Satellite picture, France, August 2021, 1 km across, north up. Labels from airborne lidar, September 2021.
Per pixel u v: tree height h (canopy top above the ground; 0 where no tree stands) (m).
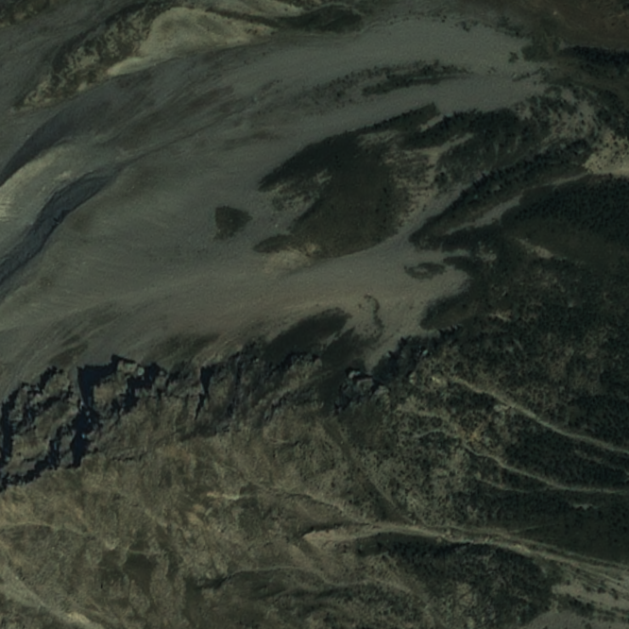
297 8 0
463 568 10
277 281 0
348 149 0
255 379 0
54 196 0
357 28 0
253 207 0
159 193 0
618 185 7
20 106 0
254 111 0
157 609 0
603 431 15
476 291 0
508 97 0
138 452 0
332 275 0
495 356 9
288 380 0
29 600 0
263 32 0
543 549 0
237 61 0
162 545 0
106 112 0
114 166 0
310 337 0
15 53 0
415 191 0
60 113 0
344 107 0
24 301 0
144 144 0
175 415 0
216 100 0
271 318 0
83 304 0
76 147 0
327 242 0
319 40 0
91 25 0
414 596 0
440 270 0
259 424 0
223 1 0
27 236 0
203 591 0
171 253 0
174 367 0
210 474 0
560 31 0
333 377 0
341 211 0
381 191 0
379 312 0
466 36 0
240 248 0
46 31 0
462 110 0
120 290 0
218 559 0
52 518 0
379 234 0
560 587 0
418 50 0
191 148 0
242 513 0
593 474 11
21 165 0
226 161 0
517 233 0
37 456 0
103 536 0
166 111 0
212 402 0
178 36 0
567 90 0
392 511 0
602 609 0
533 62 0
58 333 0
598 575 0
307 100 0
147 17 0
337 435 0
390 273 0
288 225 0
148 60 0
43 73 0
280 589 0
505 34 0
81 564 0
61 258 0
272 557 0
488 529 0
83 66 0
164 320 0
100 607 0
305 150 0
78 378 0
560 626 0
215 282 0
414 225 0
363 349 0
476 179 0
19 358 0
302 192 0
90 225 0
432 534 0
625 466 17
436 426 8
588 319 8
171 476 0
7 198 0
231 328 0
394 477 0
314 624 0
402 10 0
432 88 0
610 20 0
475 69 0
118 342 0
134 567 0
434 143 7
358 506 6
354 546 0
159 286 0
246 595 0
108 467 0
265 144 0
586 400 14
